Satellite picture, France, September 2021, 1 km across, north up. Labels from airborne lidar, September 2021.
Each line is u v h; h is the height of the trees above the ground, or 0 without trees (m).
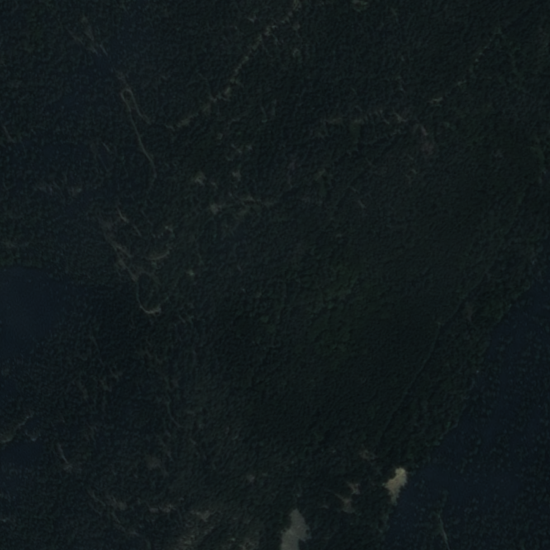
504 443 15
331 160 13
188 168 14
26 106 21
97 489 8
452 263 19
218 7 15
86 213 21
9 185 15
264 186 22
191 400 17
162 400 24
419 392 21
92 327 17
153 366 8
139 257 12
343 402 22
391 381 22
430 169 26
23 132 19
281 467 15
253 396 23
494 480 12
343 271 21
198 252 10
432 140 11
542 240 9
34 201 13
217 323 22
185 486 19
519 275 34
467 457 10
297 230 26
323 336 21
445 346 23
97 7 21
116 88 18
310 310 6
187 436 20
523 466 7
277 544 28
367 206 26
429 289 28
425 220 15
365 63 17
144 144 15
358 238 21
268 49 24
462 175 19
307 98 21
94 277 13
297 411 22
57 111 26
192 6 13
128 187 12
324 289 17
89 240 18
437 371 17
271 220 15
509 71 18
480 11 24
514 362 21
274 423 23
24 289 19
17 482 18
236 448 14
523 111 33
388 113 24
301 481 24
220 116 6
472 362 26
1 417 17
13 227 16
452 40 24
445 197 17
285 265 31
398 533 6
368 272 16
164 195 8
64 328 15
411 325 22
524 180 15
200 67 23
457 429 17
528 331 20
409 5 13
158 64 20
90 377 20
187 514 13
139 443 14
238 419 18
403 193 17
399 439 31
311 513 23
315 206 15
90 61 23
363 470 11
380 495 22
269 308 18
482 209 21
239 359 24
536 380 19
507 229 13
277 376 19
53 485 17
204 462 7
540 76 8
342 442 30
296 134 24
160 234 7
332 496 19
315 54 11
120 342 13
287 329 22
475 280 23
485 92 9
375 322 23
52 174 27
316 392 25
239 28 7
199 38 12
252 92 18
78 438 18
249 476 7
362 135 19
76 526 18
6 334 20
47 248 28
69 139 19
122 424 15
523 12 20
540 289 14
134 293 17
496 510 25
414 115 16
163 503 18
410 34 27
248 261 22
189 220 22
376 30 31
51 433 27
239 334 11
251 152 13
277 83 27
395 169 14
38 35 14
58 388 13
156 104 19
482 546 30
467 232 22
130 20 11
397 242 20
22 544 24
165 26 19
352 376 22
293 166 23
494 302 28
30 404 20
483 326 14
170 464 9
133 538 6
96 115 17
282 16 12
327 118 31
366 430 23
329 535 26
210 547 10
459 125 31
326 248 30
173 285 9
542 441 22
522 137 11
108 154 24
